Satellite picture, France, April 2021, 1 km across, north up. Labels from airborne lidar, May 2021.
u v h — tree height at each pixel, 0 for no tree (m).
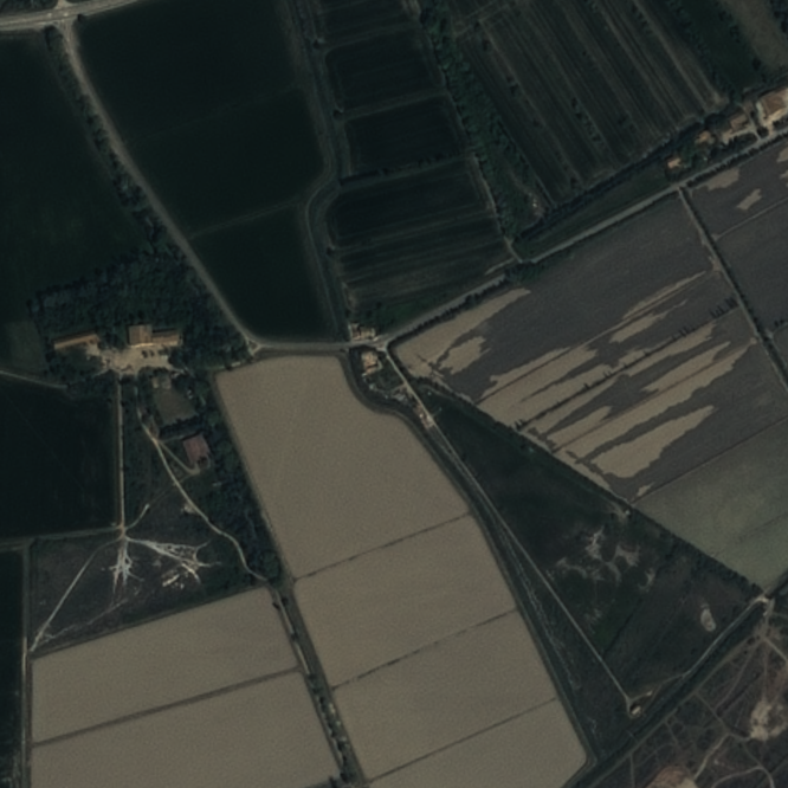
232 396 0
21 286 0
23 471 0
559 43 0
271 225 0
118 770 0
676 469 0
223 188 0
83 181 0
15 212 0
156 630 0
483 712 0
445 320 6
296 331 0
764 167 0
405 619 0
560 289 0
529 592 0
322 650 0
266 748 0
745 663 0
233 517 14
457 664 0
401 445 0
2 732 0
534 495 0
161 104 0
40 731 0
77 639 0
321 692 13
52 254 0
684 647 0
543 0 0
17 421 0
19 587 0
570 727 0
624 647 0
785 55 0
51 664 0
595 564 0
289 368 0
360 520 0
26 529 0
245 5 0
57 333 8
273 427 0
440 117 0
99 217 0
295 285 0
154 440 0
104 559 0
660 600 0
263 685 0
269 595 0
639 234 0
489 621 0
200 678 0
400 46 0
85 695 0
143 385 13
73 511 0
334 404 0
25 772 0
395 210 0
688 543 8
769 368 0
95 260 0
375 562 0
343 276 0
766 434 0
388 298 0
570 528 0
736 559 0
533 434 0
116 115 0
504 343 0
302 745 0
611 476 0
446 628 0
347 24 0
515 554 0
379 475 0
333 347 0
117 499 0
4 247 0
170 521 0
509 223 13
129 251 0
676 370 0
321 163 0
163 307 14
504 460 0
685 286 0
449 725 0
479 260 0
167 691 0
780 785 0
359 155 0
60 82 0
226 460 21
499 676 0
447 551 0
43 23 0
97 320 14
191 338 12
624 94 0
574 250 7
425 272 0
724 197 0
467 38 0
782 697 0
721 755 0
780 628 0
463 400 8
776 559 0
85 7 0
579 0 0
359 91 0
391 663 0
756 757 0
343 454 0
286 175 0
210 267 0
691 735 0
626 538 0
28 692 0
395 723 0
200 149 0
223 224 0
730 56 0
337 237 0
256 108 0
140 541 0
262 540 15
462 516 0
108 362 0
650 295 0
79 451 0
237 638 0
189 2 0
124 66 0
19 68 0
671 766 0
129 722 0
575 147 0
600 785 0
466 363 0
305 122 0
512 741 0
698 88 0
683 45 0
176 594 0
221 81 0
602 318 0
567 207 10
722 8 7
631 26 0
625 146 0
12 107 0
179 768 0
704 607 0
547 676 0
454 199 0
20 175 0
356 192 0
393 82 0
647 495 0
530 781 0
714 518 0
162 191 0
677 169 6
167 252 7
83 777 0
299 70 0
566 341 0
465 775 0
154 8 0
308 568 0
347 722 0
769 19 0
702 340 0
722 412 0
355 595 0
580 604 0
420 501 0
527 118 0
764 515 0
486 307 0
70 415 0
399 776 0
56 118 0
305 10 6
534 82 0
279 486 0
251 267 0
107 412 0
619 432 0
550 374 0
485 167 14
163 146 0
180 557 0
